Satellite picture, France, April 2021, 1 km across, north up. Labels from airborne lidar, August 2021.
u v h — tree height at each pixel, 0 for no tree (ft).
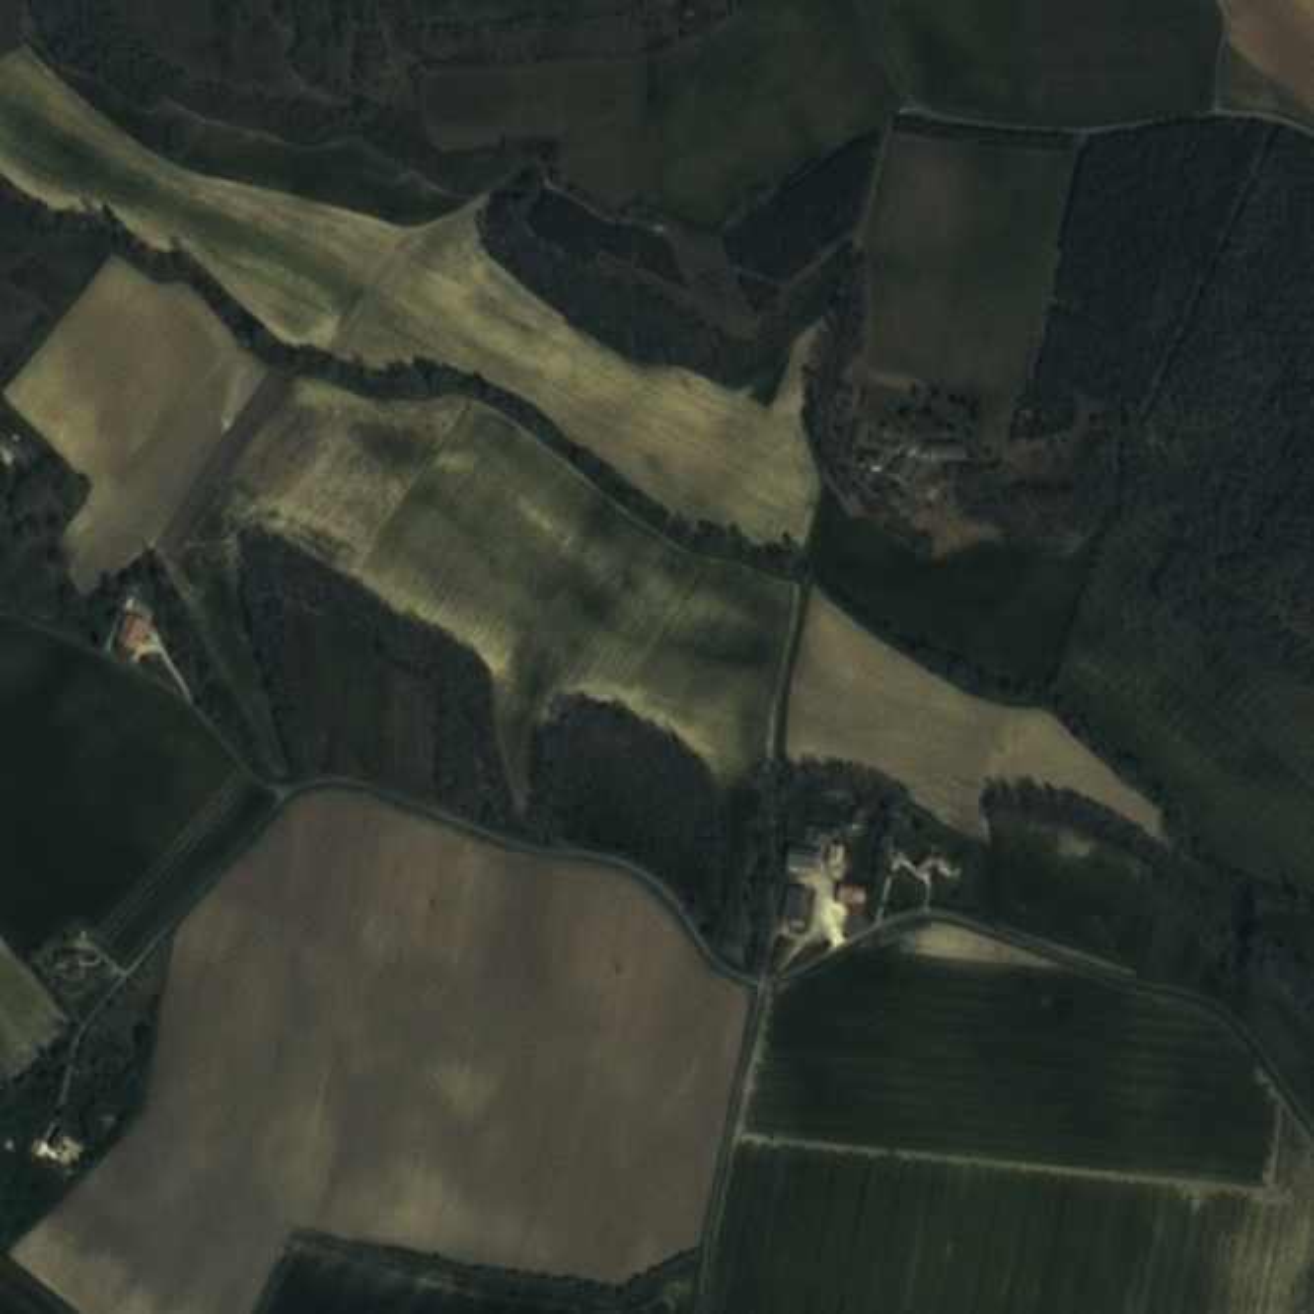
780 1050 0
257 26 0
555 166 34
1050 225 0
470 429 0
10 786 0
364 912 0
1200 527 79
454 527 0
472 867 0
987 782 0
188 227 0
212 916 0
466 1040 0
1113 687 0
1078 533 60
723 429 0
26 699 0
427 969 0
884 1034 0
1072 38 0
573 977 0
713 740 0
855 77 0
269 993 0
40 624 0
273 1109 0
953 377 0
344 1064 0
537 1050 0
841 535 0
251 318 28
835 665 0
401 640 47
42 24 59
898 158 0
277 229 0
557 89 0
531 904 0
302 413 0
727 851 63
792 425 0
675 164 0
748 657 0
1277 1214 0
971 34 0
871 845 0
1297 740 23
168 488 0
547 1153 0
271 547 52
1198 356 32
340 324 0
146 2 0
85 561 0
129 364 0
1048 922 0
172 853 0
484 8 0
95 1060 29
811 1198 0
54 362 0
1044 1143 0
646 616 0
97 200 0
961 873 21
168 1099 0
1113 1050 0
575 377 0
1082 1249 0
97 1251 0
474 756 47
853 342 49
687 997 0
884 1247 0
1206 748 0
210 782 0
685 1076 0
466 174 40
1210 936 34
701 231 0
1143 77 0
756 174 0
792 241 28
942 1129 0
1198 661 39
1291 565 25
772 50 0
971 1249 0
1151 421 23
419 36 24
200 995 0
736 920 0
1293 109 0
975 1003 0
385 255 0
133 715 0
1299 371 43
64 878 0
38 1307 0
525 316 0
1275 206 26
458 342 0
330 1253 0
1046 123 0
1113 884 0
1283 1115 0
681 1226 0
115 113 0
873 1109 0
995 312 0
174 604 40
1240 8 0
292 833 0
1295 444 31
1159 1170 0
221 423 0
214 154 0
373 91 24
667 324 45
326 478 0
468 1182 0
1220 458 57
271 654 40
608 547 0
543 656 0
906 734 0
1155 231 31
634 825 29
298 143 49
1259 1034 0
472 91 0
